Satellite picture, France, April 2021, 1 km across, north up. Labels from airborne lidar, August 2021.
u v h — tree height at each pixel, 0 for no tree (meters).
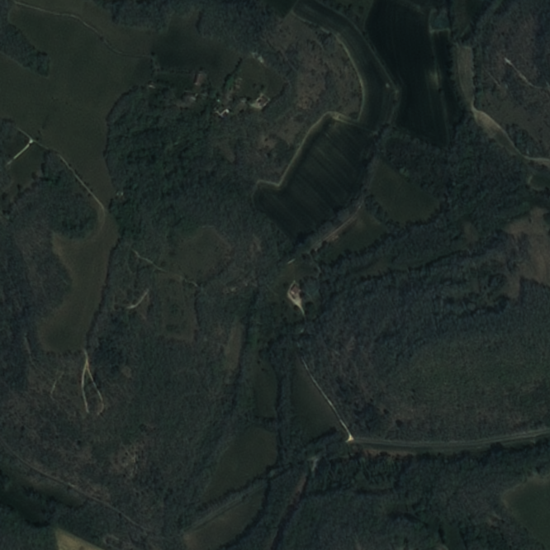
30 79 0
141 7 13
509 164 23
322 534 25
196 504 16
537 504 0
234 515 0
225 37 15
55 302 18
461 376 17
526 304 17
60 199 19
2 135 21
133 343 20
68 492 14
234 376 6
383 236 0
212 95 15
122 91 0
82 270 0
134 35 0
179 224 13
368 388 7
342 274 19
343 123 0
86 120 0
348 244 0
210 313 17
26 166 0
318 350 9
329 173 0
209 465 21
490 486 20
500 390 14
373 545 23
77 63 0
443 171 5
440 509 21
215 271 8
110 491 11
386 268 0
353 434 18
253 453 0
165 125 20
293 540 18
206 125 13
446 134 0
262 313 20
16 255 14
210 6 18
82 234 18
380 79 0
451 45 11
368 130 0
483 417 7
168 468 17
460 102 8
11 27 14
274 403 0
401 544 16
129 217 8
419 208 0
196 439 24
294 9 0
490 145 20
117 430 12
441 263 11
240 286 10
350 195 0
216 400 9
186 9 16
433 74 0
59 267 19
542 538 0
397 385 10
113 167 18
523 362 16
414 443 18
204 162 25
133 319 15
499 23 9
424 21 0
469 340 13
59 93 0
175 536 28
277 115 20
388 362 9
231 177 15
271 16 18
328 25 0
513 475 22
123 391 12
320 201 0
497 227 8
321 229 13
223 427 15
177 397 20
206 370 19
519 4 19
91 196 8
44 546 21
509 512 13
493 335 15
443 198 12
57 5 0
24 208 18
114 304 15
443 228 15
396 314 18
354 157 0
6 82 0
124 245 17
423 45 0
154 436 8
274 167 11
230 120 12
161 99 7
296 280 0
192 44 0
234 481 0
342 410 16
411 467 24
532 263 0
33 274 10
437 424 18
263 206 0
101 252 0
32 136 0
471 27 0
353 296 13
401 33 0
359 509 21
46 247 16
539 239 0
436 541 25
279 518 21
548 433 0
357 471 9
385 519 21
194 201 21
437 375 12
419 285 8
